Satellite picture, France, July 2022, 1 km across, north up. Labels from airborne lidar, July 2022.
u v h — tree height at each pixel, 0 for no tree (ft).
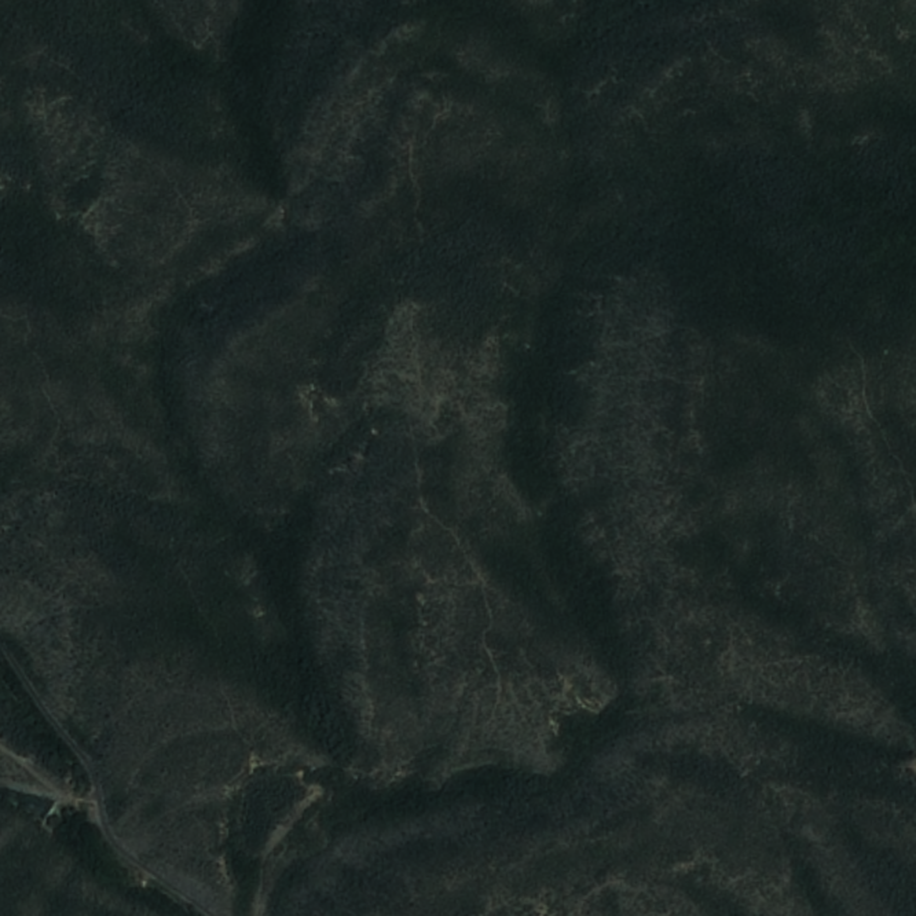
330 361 20
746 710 19
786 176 26
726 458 18
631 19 20
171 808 0
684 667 22
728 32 19
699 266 25
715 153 18
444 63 17
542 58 30
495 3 18
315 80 20
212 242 18
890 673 24
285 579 23
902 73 20
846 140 17
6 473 23
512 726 0
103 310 19
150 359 17
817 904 18
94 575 0
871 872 22
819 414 19
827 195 29
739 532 20
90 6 28
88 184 20
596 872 20
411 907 22
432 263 29
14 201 21
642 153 17
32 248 19
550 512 25
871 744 18
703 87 18
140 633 39
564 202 22
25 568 26
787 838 25
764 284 18
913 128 27
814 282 27
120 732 22
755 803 18
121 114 26
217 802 0
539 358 19
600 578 20
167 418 22
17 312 0
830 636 21
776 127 17
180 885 0
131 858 0
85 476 20
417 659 19
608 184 18
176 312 21
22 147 28
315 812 23
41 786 0
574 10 18
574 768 20
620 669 21
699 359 0
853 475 18
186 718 0
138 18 24
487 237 23
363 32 20
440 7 19
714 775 19
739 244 29
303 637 24
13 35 21
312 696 43
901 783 20
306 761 0
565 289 24
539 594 24
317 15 18
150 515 24
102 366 18
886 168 41
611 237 32
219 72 24
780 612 24
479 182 17
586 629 21
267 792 27
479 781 24
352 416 20
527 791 27
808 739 22
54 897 19
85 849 31
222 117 25
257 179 27
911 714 28
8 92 20
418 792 20
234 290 17
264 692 24
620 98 18
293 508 22
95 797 0
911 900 21
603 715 24
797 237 26
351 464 24
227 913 0
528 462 31
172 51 22
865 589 18
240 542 29
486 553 17
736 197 19
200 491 24
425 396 0
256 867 46
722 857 17
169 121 29
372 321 23
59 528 0
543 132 18
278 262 23
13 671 32
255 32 32
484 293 28
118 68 26
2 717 41
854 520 17
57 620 25
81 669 33
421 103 0
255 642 20
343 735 41
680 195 18
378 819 22
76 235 24
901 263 28
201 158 19
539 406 28
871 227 32
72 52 22
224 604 26
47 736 35
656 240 22
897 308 17
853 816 23
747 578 22
